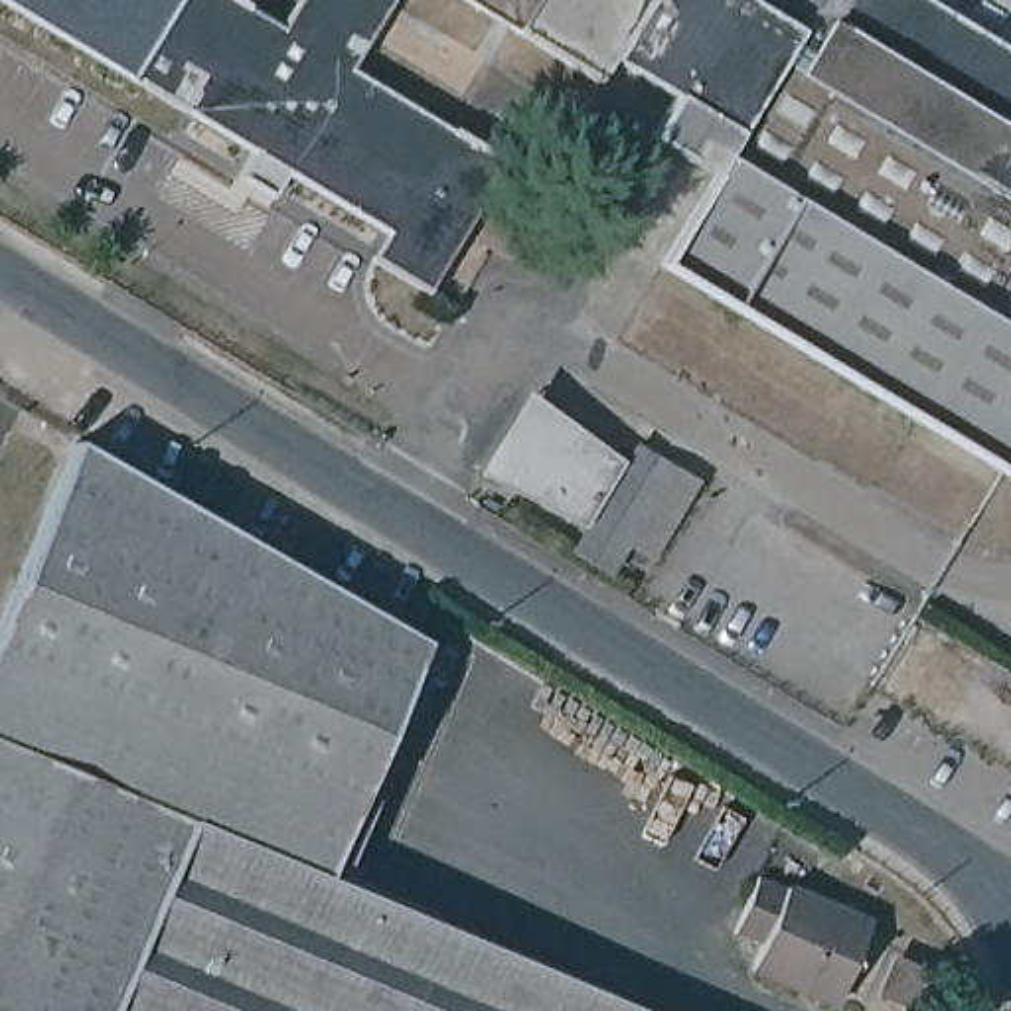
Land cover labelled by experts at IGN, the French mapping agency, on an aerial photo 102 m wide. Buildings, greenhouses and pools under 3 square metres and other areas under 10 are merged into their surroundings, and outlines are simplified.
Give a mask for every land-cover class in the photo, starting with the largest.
<instances>
[{"label":"impervious surface","instance_id":"1","mask_svg":"<svg viewBox=\"0 0 1011 1011\"><path fill-rule=\"evenodd\" d=\"M363 67L383 83L399 87L403 95L419 99L423 107L438 111L442 118L474 130L478 138H490L498 107H509L513 95L533 83L537 95L577 99L584 115H608L612 122L620 118L624 146L632 154H652L660 134L667 146H675V118L687 111V95L679 83L663 79L652 67H640L632 55L620 59V67L608 75L584 51L569 43L549 47L529 28L502 20L494 8L478 0H411L399 24L387 32V51H367ZM742 16L778 20L817 59L829 55L837 32L857 36L865 47H873L877 36L849 24L845 16H821L810 0H727ZM952 8L1011 39V0H948ZM209 83L205 67L186 63L178 91H162L150 79H142V95H150L154 103L138 122H130L126 107L99 103L95 91H55V83L28 71V63H16L0 51V178L12 190L43 197L51 205L71 229L107 233L115 225V241L130 253L146 257V265H154L174 284L194 288L221 316H237L261 340L276 336L280 344L300 351L308 367L332 379H351L363 391H379L391 403L395 423L379 427L375 438L340 427L324 419L312 403L284 395L272 379L221 355L205 340L190 336L186 328L170 324L166 316H158L154 308L118 292L107 280L28 233L0 217V438L16 427L24 438L47 446L55 458L71 438L95 442L126 458L130 466L146 470L150 478L174 486L178 494L201 502L205 509L229 517L233 525L257 533L261 541L284 549L288 557L312 565L336 584L395 612L419 632L434 636L438 648L427 687L419 695L407 739L387 770V782L367 810L344 881L363 885L427 916H438L454 928H466L482 940L541 960L557 972H569L652 1011H904L896 999H885L893 968L881 960V952L896 936L893 904L861 893L841 877H829L814 861V853L766 829L762 821L750 806L731 802L727 786H695L699 778L691 770H679V758H667L663 750H652L640 739L600 723L596 707L561 695V687H549V679L525 660L486 640L470 644L462 624L430 604V584L438 581L474 616L498 624L502 636L525 644L565 675H577L584 687L600 691L604 699L620 703L624 711L640 715L644 723L660 727L663 735L679 739L683 746L719 762L723 770L739 774L762 794L794 802L798 814L833 829L853 849L865 845L893 873H900L916 889H928V896H936V904L948 908V920H956V932L964 936L956 940L964 948V960L956 968L979 983L995 1011H1011V667L932 628L924 620V608L932 600L944 616L968 624L1003 656H1011V545L995 557H983L964 541L956 545L940 525L920 521L889 494L857 486L829 462H814L790 450L786 442L762 434L746 419L723 411L719 399L687 387L691 371L667 375L660 363L636 355L632 340L648 324L663 320L667 300L683 284L660 269L683 221L675 205L663 217H656L640 249L620 253L604 276H592L581 288L529 284L533 272L513 257L506 237L482 225L478 241L470 245L458 269V280L474 292V308L446 324L438 340H419L395 328L387 316H379L371 276L383 272L391 280H403V288L419 292L430 296L434 288L399 269L395 261H387L395 229L387 221L371 217L355 201L308 178L304 170H292L245 134L209 118L201 111V95ZM529 395H545L557 411L577 419L584 430H592L624 458H632L636 450H652L699 478L691 502L683 506L679 521L660 545L671 557L675 549H683L699 565V577H687L683 604L663 608L648 584L624 581L620 569H600L577 549L581 529L573 521L549 513L533 498L502 494L498 478H490L486 462L494 458L498 442L506 438ZM762 881L782 889H810L877 920L869 952L865 960H857L849 987H790L778 975H766L762 968L750 972V960L735 948L731 916Z\"/></svg>","mask_w":1011,"mask_h":1011},{"label":"building","instance_id":"2","mask_svg":"<svg viewBox=\"0 0 1011 1011\"><path fill-rule=\"evenodd\" d=\"M411 0H0V8H12L16 28L55 36L75 51H87V59H99L126 83L142 87V79H150L162 91H178L186 63L205 67L209 83L201 95V111L209 118L245 134L292 170H304L308 178L355 201L371 217L387 221L395 229L387 261H395L399 269L434 288L442 280H458V269L470 245L478 241L482 225L478 197L486 190L482 158L490 154V138H478L474 130L442 118L438 111L423 107L419 99L403 95L399 87L383 83L363 67L367 51H387V32L399 24ZM494 8L502 20L529 28L549 47L569 43L584 51L608 75L620 67V59L632 55L640 67H652L663 79L679 83L687 95V111L675 118V146L695 166L699 186L679 194L675 205L683 221L660 269L683 284L731 308L750 328L766 332L770 340L786 344L790 351L806 355L829 375L873 395L881 407L904 415L968 462L1011 482V39L952 8L948 0H810L821 16H845L849 24L877 36L873 47H865L857 36L837 32L829 55L817 59L778 20L742 16L727 0H478ZM490 478H498L502 494L533 498L549 513L573 521L581 529L577 549L600 569H620L624 581L648 584L663 608L683 604L687 577H699V565L683 549H675L671 557L660 545L679 521L683 506L691 502L699 478L652 450H636L632 458H624L592 430H584L577 419L557 411L545 395H529L506 438L498 442L494 458L486 462ZM438 648L434 636L419 632L395 612L336 584L312 565L288 557L284 549L261 541L257 533L233 525L229 517L205 509L201 502L178 494L174 486L150 478L146 470L130 466L126 458L95 442L71 438L55 458V474L47 482L32 545L20 561V577L8 584L0 604V1011H652L569 972H557L541 960L482 940L466 928H454L438 916H427L363 885L344 881L367 810L387 782V770L407 739L419 695L427 687ZM877 920L810 889H782L762 881L731 916L735 948L750 960V972L762 968L766 975H778L790 987H849L857 960H865L869 952ZM928 964H912L904 956L893 968L885 999H896L904 1011H908V1003L924 991Z\"/></svg>","mask_w":1011,"mask_h":1011},{"label":"herbaceous vegetation","instance_id":"3","mask_svg":"<svg viewBox=\"0 0 1011 1011\"><path fill-rule=\"evenodd\" d=\"M0 51L16 63H28V71L55 83V91H95L99 103L126 107L130 122H138L154 103L150 95H142V87L126 83L99 59H87V51H75L55 36L16 28L12 8H0ZM51 205L43 197L12 190L0 178V217L28 233L36 229L32 213H43ZM118 292L154 308L158 316H166L170 324L186 328L190 336L205 340L221 355L272 379L284 395L312 403L324 419L340 427L375 438L379 427L395 423L391 403L379 391H363L351 379H332L308 367L300 351L280 344L276 336L261 340L237 316H221L194 288L174 284L154 265H146V257L130 253L115 265V276L107 280ZM379 316H387L395 328L419 340H438L446 324L415 308L419 292L403 288V280H391L383 272L371 276ZM636 355L660 363L667 375L691 371L687 387L719 399L723 411L746 419L762 434L786 442L790 450L814 462H829L857 486L889 494L920 521L940 525L956 545L964 541L983 557H995L1011 545V482L968 462L904 415L881 407L873 395L829 375L806 355L790 351L786 344L770 340L766 332L750 328L731 308L683 284L667 300L663 320L648 324L632 340ZM55 474V458L47 446L24 438L16 427L0 438V604L8 584L20 577V561L32 545L47 482ZM766 829L814 853V861L829 877H841L861 893L893 904L896 936L881 952V960L893 968L904 956L912 964H928L956 968L964 960V948L956 940L964 936L956 932V920H948V908L936 904V896H928V889H916L900 873H893L865 845L853 849L829 853L821 841L794 833L774 817L762 821Z\"/></svg>","mask_w":1011,"mask_h":1011},{"label":"coniferous trees","instance_id":"4","mask_svg":"<svg viewBox=\"0 0 1011 1011\"><path fill-rule=\"evenodd\" d=\"M486 190L478 197L482 225L506 237L513 257L533 272L529 284L581 288L592 276H604L620 253L640 249L656 217H663L675 205L679 194L699 186L695 166L675 146H667L660 134L652 154H632L624 146L620 118L612 122L608 115H584L577 99L537 95L533 83L513 95L509 107H498L490 138V154L482 158Z\"/></svg>","mask_w":1011,"mask_h":1011},{"label":"brushwood","instance_id":"5","mask_svg":"<svg viewBox=\"0 0 1011 1011\"><path fill-rule=\"evenodd\" d=\"M430 604L462 624L470 644L486 640L525 660L549 679V687H561V695L596 707L600 723L640 739L652 750H663L667 758H679V770H691L699 778L695 786H727L731 802L750 806L762 821L774 817L794 833L821 841L829 853L853 849L833 829L798 814L794 802L762 794L739 774L723 770L719 762L683 746L679 739L663 735L660 727L644 723L640 715L624 711L620 703L604 699L600 691L584 687L577 675H565L525 644L502 636L498 624L474 616L438 581L430 584ZM924 620L932 628L1011 667V656H1003L968 624L944 616L932 600L924 608Z\"/></svg>","mask_w":1011,"mask_h":1011},{"label":"deciduous trees","instance_id":"6","mask_svg":"<svg viewBox=\"0 0 1011 1011\"><path fill-rule=\"evenodd\" d=\"M36 229L28 233L107 280L115 276V265L130 253L115 241V225L107 233L71 229L51 205L43 213H32ZM415 308L446 324L474 308V292L458 280H442L434 288L430 296L419 292ZM908 1011H995L979 983L956 968L928 964L924 991L908 1003Z\"/></svg>","mask_w":1011,"mask_h":1011}]
</instances>
